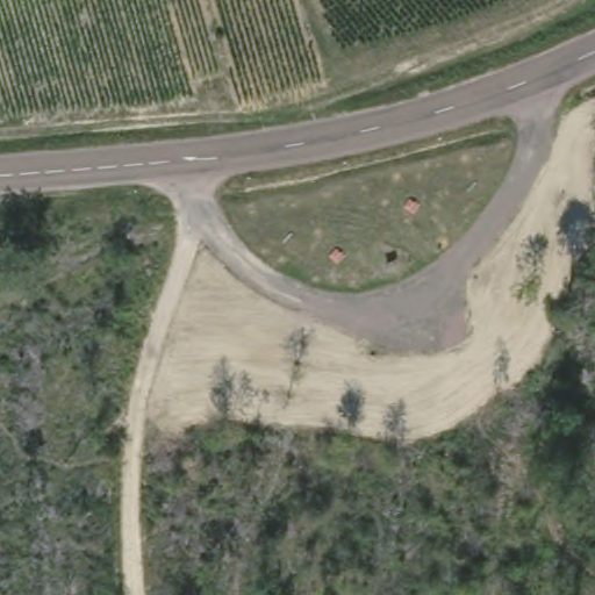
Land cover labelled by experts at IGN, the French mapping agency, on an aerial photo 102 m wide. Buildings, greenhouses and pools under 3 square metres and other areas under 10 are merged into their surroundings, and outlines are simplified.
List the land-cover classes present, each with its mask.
<instances>
[{"label":"deciduous trees","instance_id":"1","mask_svg":"<svg viewBox=\"0 0 595 595\"><path fill-rule=\"evenodd\" d=\"M586 100H595V74L579 81L562 95L560 105L569 112ZM560 244H565L569 251L572 270L569 279L562 286V293L558 298H546L549 316L553 311H567L574 302L593 298V318L588 328L595 330V209H588L583 202L574 200L567 205L560 218ZM539 404V423L528 435L511 437L507 428L495 430L493 425L476 430L465 421L435 437H423L411 444H397L395 439L365 437L335 428H281L265 425L260 421H237L232 416L209 418L207 423L188 425L177 437L174 432H163L151 418H146L139 465V525L144 569L142 595H595V360L579 358L576 351H565L553 363V374L549 383L544 386V390L535 395Z\"/></svg>","mask_w":595,"mask_h":595},{"label":"coniferous trees","instance_id":"2","mask_svg":"<svg viewBox=\"0 0 595 595\"><path fill-rule=\"evenodd\" d=\"M177 246V228L174 207L170 198L146 186L91 188L70 195L12 193L2 195L0 200V595H128L121 560V479L123 444L128 437L126 409L130 400L135 370L139 363V349L149 332L151 314L158 304V295L163 291L172 253ZM593 318V298L574 302L567 311H553L549 316L551 339L542 351V360L535 367H530L511 390L493 395L465 421L476 430L493 425L495 430L507 428L511 437L528 435L539 423V404L535 395L544 390V386L549 383L553 374V363L565 351H576L579 358L595 360V330L588 328Z\"/></svg>","mask_w":595,"mask_h":595},{"label":"pervious surface","instance_id":"3","mask_svg":"<svg viewBox=\"0 0 595 595\"><path fill-rule=\"evenodd\" d=\"M574 200L583 202L588 209H595V100H586L569 112L560 123L558 137L551 149V158L539 170V177L530 195L525 198L521 214L504 230L497 246L481 260V265L467 270L472 337L465 339V349L460 353L379 358L367 356L370 344L365 339L346 337L339 330L328 328L307 314H291L267 300L256 298L249 288L237 284L218 263H214L195 239H191V230L186 223L177 228V246L172 253L163 291L158 295V304L151 314L149 332L139 349V363L135 370L130 400L126 409L128 437L123 444L121 479V560L128 595H142L144 569L139 525V465L146 418H151L163 432H174L177 437L188 425L207 423L209 418L232 416L237 421H260L265 425L281 428H335L365 437L395 439L397 444H411L423 437H435L465 421L493 395L511 390L530 367H535L542 360V351L551 339L549 316L546 298H558L562 293V286L569 279L572 270L569 251L565 244H560V218L567 205Z\"/></svg>","mask_w":595,"mask_h":595},{"label":"herbaceous vegetation","instance_id":"4","mask_svg":"<svg viewBox=\"0 0 595 595\"><path fill-rule=\"evenodd\" d=\"M307 12L309 30L321 46L328 79L304 81L279 93L270 91L258 100H242L235 93L232 79L228 74L235 60L230 56L228 40H223L216 49L218 70L191 79V95H179L172 100L149 105L114 102L91 109L53 107L44 112H30L19 126L0 128V153L209 137L309 121L321 116L318 107L393 84L402 79V74H421L444 63L458 60L467 53L495 49L511 40L525 37L542 23L569 14L576 5H583L586 0H502L458 23H442L421 30L418 35H404L379 44L353 42L342 49L332 35V26L325 19L321 0H300ZM518 151V128L509 116H493L456 130L435 132L430 137L365 153H351L330 160L277 170L242 172L225 179L216 188V200L235 237L258 260L304 284L307 288L358 295L374 288L395 286L418 274L435 260H439L444 253H449L476 223V218L483 214L493 195L497 193V188L504 184Z\"/></svg>","mask_w":595,"mask_h":595},{"label":"impervious surface","instance_id":"5","mask_svg":"<svg viewBox=\"0 0 595 595\"><path fill-rule=\"evenodd\" d=\"M595 74V28L579 33L569 40H562L516 63L486 70L481 74L467 77L437 91H421L407 100L321 116L309 121L209 137L0 153V200L2 195L12 193L70 195L91 188L146 186L170 198L174 207L177 228L186 223L191 230V239H195L214 263H218L237 284L249 288L256 298L267 300L291 314H307L328 328L339 330L346 337L365 339L370 344L367 356L379 358L460 353L465 349V339L472 337L467 270L481 265V260L497 246L504 230L521 214L525 198L530 195L539 177V170L551 158V149L558 137L560 123L569 112L560 105L562 95L579 81ZM493 116H509L518 128V151L504 184L497 188V193L493 195L483 214L476 218V223L449 253H444L439 260H435L418 274L395 286L374 288L358 295L307 288L304 284L258 260L235 237L216 200V188L225 179L242 172L277 170L330 160L351 153H365L430 137L435 132L456 130Z\"/></svg>","mask_w":595,"mask_h":595},{"label":"vineyard","instance_id":"6","mask_svg":"<svg viewBox=\"0 0 595 595\"><path fill-rule=\"evenodd\" d=\"M223 40H228L230 56L235 60L228 74L232 79L235 93L242 100H258L270 91L279 93L304 81L328 79L321 46L309 30L307 12L300 0H0V128L19 126L30 112H44L53 107L91 109L114 102L149 105L172 100L179 95H191V79L218 70L216 49ZM325 19L332 26V35L342 49L353 42L379 44L404 35H418L421 30L442 23H458L502 0H321Z\"/></svg>","mask_w":595,"mask_h":595},{"label":"brushwood","instance_id":"7","mask_svg":"<svg viewBox=\"0 0 595 595\"><path fill-rule=\"evenodd\" d=\"M595 28V0H586L583 5H576L569 14L542 23L525 37L511 40L495 49L467 53L458 60L444 63L421 74H402V79L393 84L318 107L321 116L407 100L421 91H437L467 77L481 74L486 70L516 63L562 40H569L579 33Z\"/></svg>","mask_w":595,"mask_h":595}]
</instances>
